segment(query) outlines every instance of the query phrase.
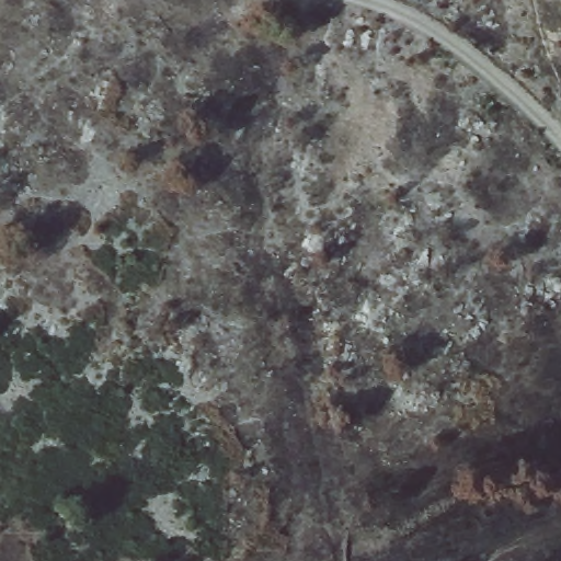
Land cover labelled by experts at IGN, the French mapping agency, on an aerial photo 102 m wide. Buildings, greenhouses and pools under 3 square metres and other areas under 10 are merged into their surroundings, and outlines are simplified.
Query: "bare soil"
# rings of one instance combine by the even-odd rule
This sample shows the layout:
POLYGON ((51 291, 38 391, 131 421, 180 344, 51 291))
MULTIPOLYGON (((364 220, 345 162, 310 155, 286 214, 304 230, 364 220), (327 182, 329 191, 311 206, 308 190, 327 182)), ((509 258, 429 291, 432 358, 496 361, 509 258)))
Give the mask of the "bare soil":
POLYGON ((35 543, 35 528, 26 528, 24 522, 18 517, 13 517, 9 524, 0 524, 0 561, 26 561, 26 552, 33 550, 35 543))
POLYGON ((96 351, 88 359, 88 368, 75 375, 77 379, 88 379, 92 386, 103 386, 107 381, 107 373, 114 368, 118 370, 118 383, 125 383, 127 362, 140 359, 142 351, 151 348, 156 359, 171 359, 182 373, 182 386, 164 381, 160 383, 162 390, 182 392, 182 397, 186 397, 186 401, 191 403, 215 401, 219 405, 219 419, 234 430, 241 449, 245 449, 243 469, 237 469, 237 473, 228 473, 230 500, 226 502, 226 513, 230 515, 228 533, 234 539, 234 548, 228 561, 561 561, 561 511, 546 515, 502 508, 497 522, 491 528, 478 528, 467 506, 469 502, 458 500, 458 495, 451 493, 454 482, 449 476, 451 467, 467 451, 489 451, 493 447, 502 447, 508 451, 511 447, 528 447, 539 451, 550 434, 557 434, 561 438, 561 145, 552 147, 543 127, 535 125, 528 116, 524 116, 513 103, 508 103, 504 96, 495 92, 495 88, 486 79, 476 75, 471 64, 458 59, 436 39, 430 39, 425 33, 401 26, 397 20, 386 18, 383 13, 355 4, 344 4, 342 0, 0 0, 0 228, 11 219, 22 224, 24 237, 35 252, 26 259, 9 259, 4 250, 0 252, 0 309, 7 309, 9 298, 26 298, 33 307, 24 316, 20 316, 22 335, 26 335, 33 327, 44 327, 48 335, 66 337, 75 322, 81 320, 81 313, 90 305, 99 302, 96 294, 88 294, 85 287, 88 265, 92 261, 83 256, 83 248, 88 245, 92 250, 99 250, 103 245, 103 237, 96 232, 99 221, 103 221, 105 215, 121 204, 121 195, 127 191, 136 193, 138 206, 147 213, 145 224, 136 224, 134 219, 127 221, 136 237, 145 237, 147 230, 151 230, 158 221, 164 219, 178 224, 180 239, 167 256, 171 259, 167 265, 167 281, 158 287, 140 285, 140 289, 136 291, 118 294, 116 309, 110 320, 110 337, 96 344, 96 351), (263 39, 252 35, 252 18, 248 13, 252 13, 259 2, 263 2, 263 9, 270 15, 274 15, 281 26, 289 31, 291 37, 283 46, 265 44, 263 39), (210 134, 202 142, 197 142, 195 136, 193 112, 202 112, 210 121, 210 134), (160 191, 153 195, 153 178, 164 175, 178 164, 182 164, 182 175, 186 178, 184 193, 160 191))
POLYGON ((31 394, 35 386, 39 386, 39 379, 24 381, 20 373, 11 373, 9 388, 0 394, 0 408, 4 412, 11 410, 15 399, 31 394))
POLYGON ((535 103, 541 103, 561 123, 561 0, 397 0, 399 4, 416 9, 432 22, 469 39, 497 70, 508 75, 513 83, 517 83, 535 103))
POLYGON ((162 493, 151 497, 147 504, 158 528, 169 537, 195 539, 195 530, 182 528, 175 522, 175 493, 162 493))

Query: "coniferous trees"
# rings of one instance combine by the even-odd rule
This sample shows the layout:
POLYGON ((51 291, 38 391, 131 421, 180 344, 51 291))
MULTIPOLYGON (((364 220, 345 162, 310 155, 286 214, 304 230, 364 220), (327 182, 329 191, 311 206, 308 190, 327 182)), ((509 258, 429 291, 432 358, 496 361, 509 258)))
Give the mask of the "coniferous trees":
POLYGON ((193 112, 195 136, 197 142, 202 142, 210 134, 210 121, 202 112, 193 112))
POLYGON ((160 191, 184 193, 186 178, 182 175, 182 164, 178 164, 164 175, 153 178, 153 195, 160 191))
POLYGON ((263 2, 259 2, 252 13, 248 13, 252 18, 252 35, 263 39, 265 44, 283 46, 291 37, 289 31, 281 26, 274 15, 270 15, 263 9, 263 2))
POLYGON ((22 224, 11 219, 0 228, 0 252, 4 250, 9 259, 26 259, 35 252, 24 237, 22 224))
POLYGON ((502 508, 546 515, 561 511, 561 438, 557 434, 550 434, 539 451, 528 447, 511 447, 508 451, 502 447, 493 447, 489 451, 467 451, 451 467, 449 476, 454 482, 451 493, 458 495, 458 500, 469 502, 467 506, 478 528, 491 528, 497 522, 502 508))

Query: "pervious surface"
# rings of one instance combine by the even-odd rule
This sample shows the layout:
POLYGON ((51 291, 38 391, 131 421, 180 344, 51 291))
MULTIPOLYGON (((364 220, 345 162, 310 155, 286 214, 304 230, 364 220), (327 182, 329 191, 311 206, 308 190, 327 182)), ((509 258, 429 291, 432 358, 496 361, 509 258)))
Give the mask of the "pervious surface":
POLYGON ((552 147, 561 145, 561 123, 541 103, 535 103, 517 83, 513 83, 508 75, 497 70, 469 39, 432 22, 416 9, 399 4, 397 0, 342 0, 344 4, 355 4, 383 13, 386 18, 397 20, 401 26, 425 33, 430 39, 436 39, 458 59, 471 64, 476 75, 486 79, 495 88, 495 92, 504 96, 508 103, 513 103, 524 116, 528 116, 535 125, 543 127, 552 147))

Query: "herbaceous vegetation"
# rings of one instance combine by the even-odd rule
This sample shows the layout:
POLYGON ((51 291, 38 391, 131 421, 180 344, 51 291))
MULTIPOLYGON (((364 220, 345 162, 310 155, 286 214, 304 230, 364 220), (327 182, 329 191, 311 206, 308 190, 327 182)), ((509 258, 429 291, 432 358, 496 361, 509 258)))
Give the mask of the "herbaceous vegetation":
POLYGON ((226 513, 226 502, 230 500, 228 473, 237 473, 237 469, 243 469, 245 449, 241 449, 234 430, 219 419, 219 405, 215 401, 191 403, 186 401, 186 397, 182 397, 182 392, 162 390, 160 383, 164 381, 182 386, 182 373, 171 359, 156 359, 151 348, 142 351, 140 359, 127 362, 125 383, 118 383, 118 370, 114 368, 107 373, 107 381, 103 386, 92 386, 88 379, 77 379, 75 375, 88 368, 88 359, 96 351, 96 344, 110 337, 110 320, 116 309, 118 294, 136 291, 140 289, 140 285, 158 287, 167 281, 167 265, 171 259, 167 256, 180 239, 178 224, 164 219, 158 221, 151 230, 147 230, 145 237, 136 237, 127 221, 134 219, 136 224, 145 224, 147 213, 138 206, 136 193, 127 191, 121 195, 121 204, 105 215, 103 221, 99 221, 96 232, 103 237, 103 245, 99 250, 92 250, 88 245, 83 248, 83 256, 92 261, 88 265, 85 287, 88 294, 96 294, 99 302, 90 305, 81 313, 81 320, 75 322, 66 337, 48 335, 44 327, 33 327, 26 335, 22 335, 20 316, 24 316, 33 307, 26 298, 9 298, 7 309, 0 309, 0 394, 9 388, 11 373, 20 373, 24 381, 39 379, 39 386, 35 386, 31 394, 15 399, 11 410, 4 412, 0 408, 0 524, 9 524, 13 517, 18 517, 24 522, 26 528, 35 528, 35 543, 33 550, 26 552, 26 561, 228 561, 234 548, 234 539, 228 533, 230 515, 226 513), (169 537, 158 528, 147 504, 151 497, 162 493, 175 493, 175 522, 182 528, 195 530, 195 539, 169 537))

